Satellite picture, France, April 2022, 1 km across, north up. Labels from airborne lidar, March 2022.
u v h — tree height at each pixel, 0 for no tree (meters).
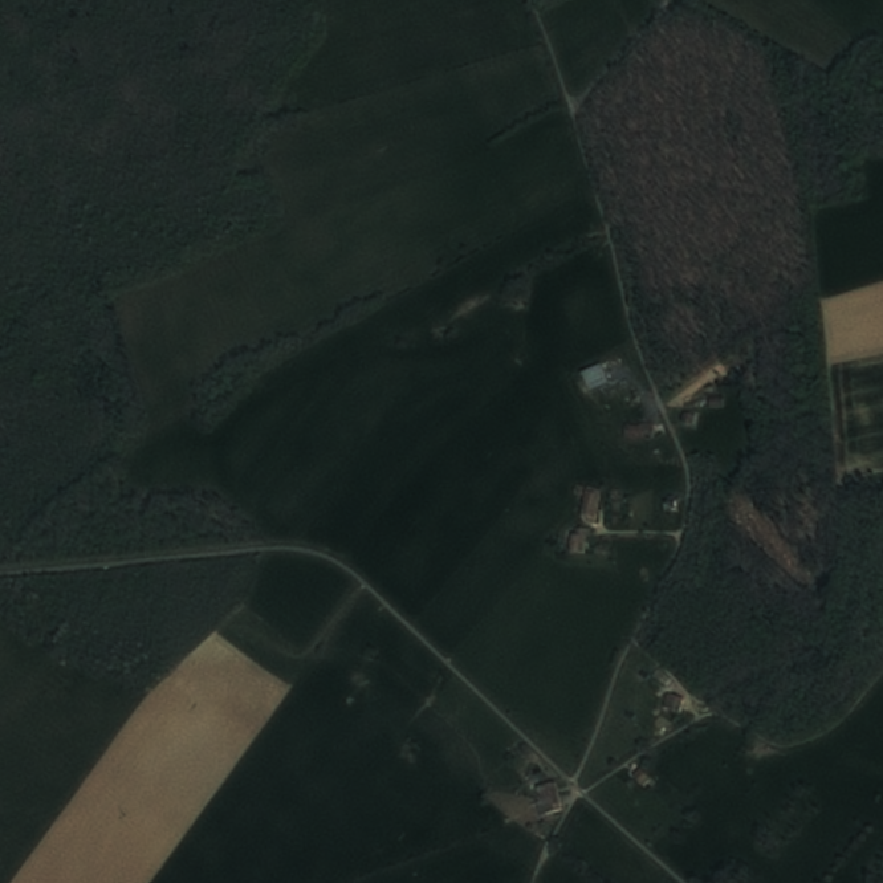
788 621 22
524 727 0
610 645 0
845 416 0
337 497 0
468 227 0
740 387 15
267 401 0
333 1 0
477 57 0
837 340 0
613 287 0
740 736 0
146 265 17
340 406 0
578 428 0
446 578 0
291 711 0
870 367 0
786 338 26
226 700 0
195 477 0
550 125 0
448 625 0
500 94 0
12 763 0
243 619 0
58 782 0
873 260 0
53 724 0
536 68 0
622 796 0
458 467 0
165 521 21
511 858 0
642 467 0
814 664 25
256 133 17
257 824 0
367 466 0
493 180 0
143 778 0
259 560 7
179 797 0
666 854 0
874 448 0
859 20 0
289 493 0
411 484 0
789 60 16
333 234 0
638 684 0
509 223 0
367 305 11
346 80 0
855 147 22
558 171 0
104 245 15
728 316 20
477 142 0
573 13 0
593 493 0
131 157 14
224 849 0
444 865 0
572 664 0
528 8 9
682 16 19
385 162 0
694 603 21
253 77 13
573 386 0
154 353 0
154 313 0
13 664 0
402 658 0
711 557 19
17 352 14
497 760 0
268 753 0
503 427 0
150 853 0
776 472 23
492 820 0
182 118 14
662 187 19
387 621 0
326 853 0
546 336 0
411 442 0
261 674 0
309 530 0
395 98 0
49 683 0
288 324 0
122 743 0
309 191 0
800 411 24
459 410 0
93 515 26
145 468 0
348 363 0
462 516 0
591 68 0
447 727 0
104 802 0
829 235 0
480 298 0
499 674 0
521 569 0
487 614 0
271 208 19
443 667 0
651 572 0
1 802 0
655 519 0
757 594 23
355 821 0
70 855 0
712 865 0
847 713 17
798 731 19
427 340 0
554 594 0
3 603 10
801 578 0
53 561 20
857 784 0
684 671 18
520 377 0
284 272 0
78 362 17
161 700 0
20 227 16
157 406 0
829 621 19
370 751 0
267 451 0
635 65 20
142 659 16
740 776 0
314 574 0
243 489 0
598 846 0
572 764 0
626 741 0
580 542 0
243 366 21
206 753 0
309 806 0
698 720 0
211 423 21
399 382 0
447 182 0
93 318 20
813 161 22
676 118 0
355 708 0
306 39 15
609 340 0
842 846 0
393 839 0
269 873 0
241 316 0
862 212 0
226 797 0
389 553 0
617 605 0
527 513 0
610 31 0
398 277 0
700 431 0
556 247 0
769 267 20
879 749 0
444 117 0
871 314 0
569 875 0
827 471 25
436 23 0
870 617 28
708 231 23
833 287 0
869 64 22
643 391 0
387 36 0
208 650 0
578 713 0
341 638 0
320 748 0
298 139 0
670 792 0
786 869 0
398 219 0
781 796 0
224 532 23
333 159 0
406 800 0
